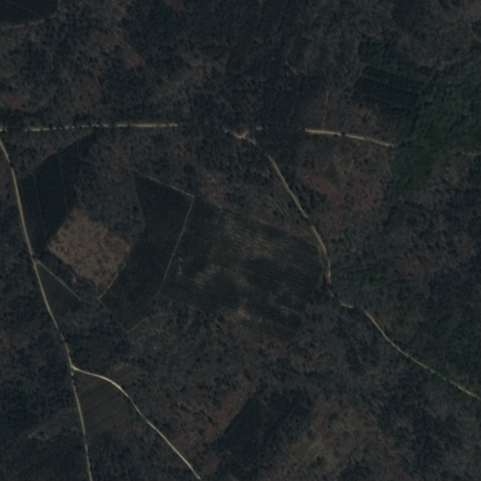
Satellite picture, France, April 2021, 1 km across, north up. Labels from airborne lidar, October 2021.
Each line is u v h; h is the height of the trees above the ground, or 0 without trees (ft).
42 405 22
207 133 71
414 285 46
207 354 42
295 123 42
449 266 54
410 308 51
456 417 51
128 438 25
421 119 63
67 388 25
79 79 67
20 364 38
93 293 27
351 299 34
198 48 30
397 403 77
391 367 33
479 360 79
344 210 54
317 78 52
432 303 40
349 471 55
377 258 43
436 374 27
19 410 52
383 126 27
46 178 37
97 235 0
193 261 18
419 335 55
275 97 38
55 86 75
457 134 56
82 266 0
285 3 65
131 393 20
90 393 20
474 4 57
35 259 44
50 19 28
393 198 42
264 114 44
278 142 68
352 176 0
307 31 72
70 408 29
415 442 31
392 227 60
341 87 25
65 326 33
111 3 47
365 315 67
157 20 77
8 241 53
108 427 0
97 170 19
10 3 41
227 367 50
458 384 47
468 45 21
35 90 39
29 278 63
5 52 55
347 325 28
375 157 32
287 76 42
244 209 62
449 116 62
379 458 34
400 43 57
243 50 66
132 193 48
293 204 39
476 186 75
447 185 73
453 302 64
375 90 39
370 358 30
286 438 21
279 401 51
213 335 62
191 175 67
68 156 35
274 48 30
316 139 39
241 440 51
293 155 56
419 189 35
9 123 45
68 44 51
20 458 21
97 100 29
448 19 23
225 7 73
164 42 76
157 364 34
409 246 20
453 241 59
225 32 79
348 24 60
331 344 38
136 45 84
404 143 26
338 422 71
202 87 22
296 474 31
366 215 23
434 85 32
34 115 22
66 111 42
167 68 74
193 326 27
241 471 78
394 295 66
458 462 48
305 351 25
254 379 23
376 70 35
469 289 83
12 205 22
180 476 76
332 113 44
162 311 19
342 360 30
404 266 29
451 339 57
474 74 50
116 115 60
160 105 48
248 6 83
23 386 42
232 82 60
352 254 37
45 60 58
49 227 38
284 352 43
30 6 45
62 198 43
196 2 75
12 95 68
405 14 53
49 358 33
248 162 72
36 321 41
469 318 90
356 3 44
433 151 36
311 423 32
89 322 37
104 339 63
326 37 61
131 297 18
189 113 31
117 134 58
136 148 27
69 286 52
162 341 26
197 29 76
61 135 79
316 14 48
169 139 42
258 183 79
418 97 45
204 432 24
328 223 30
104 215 46
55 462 20
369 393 41
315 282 19
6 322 48
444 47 25
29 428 49
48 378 43
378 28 60
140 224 50
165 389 33
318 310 20
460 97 77
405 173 76
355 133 36
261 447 46
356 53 42
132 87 59
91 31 47
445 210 91
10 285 66
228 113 44
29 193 34
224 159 75
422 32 35
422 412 36
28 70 33
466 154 48
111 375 0
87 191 71
